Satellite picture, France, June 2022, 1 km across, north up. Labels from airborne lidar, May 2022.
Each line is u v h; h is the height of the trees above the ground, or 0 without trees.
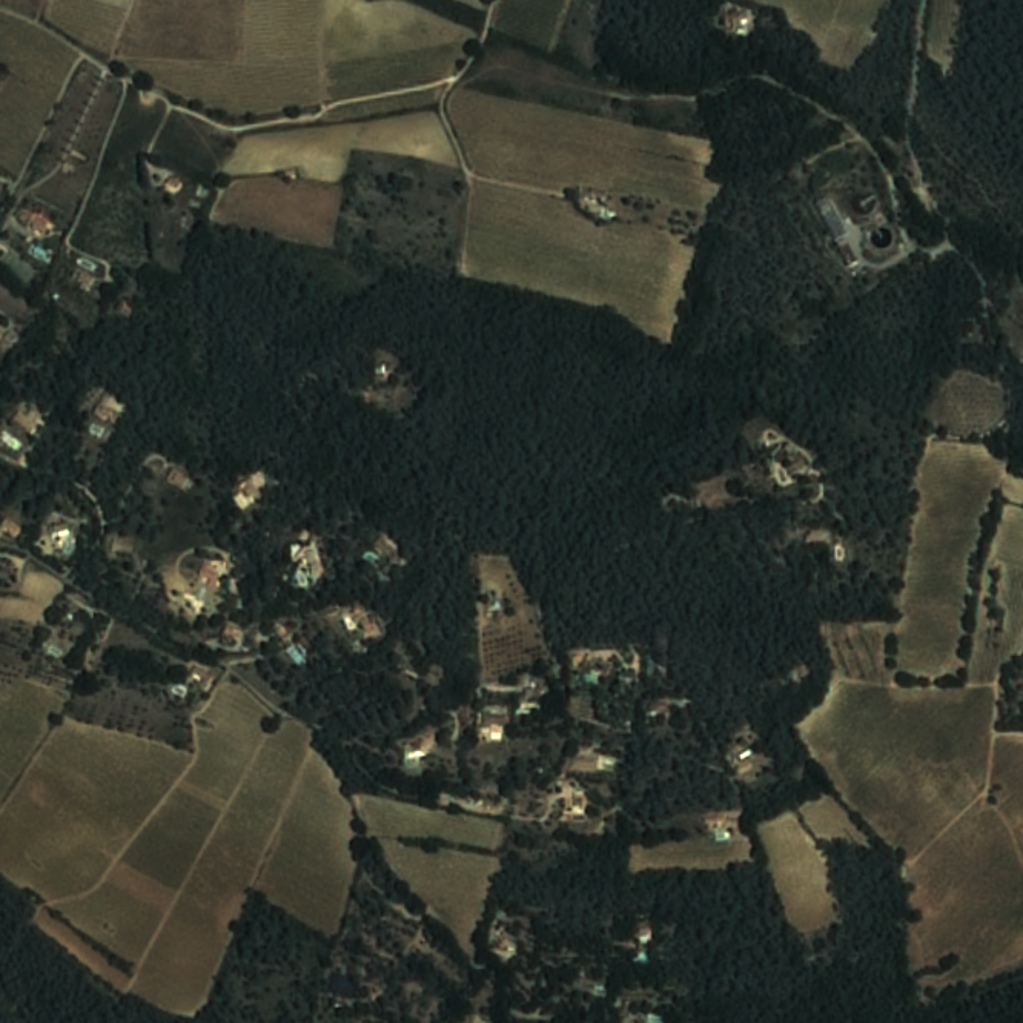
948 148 6
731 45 14
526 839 11
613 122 0
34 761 0
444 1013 9
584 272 0
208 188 7
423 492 19
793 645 10
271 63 0
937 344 15
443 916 0
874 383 16
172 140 0
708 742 20
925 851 0
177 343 14
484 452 23
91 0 0
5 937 16
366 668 11
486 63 0
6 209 7
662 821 20
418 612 16
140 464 17
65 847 0
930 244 9
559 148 0
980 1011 8
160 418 20
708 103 15
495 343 23
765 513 18
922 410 16
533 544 24
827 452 21
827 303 11
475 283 15
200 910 0
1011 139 17
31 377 15
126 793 0
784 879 0
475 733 9
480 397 20
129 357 16
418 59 0
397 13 0
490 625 0
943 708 0
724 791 15
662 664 21
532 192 0
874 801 0
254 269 18
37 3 0
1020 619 0
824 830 0
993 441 11
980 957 0
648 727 7
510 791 19
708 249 11
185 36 0
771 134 16
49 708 0
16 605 0
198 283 16
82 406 15
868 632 0
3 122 0
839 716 0
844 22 0
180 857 0
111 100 0
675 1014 12
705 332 18
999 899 0
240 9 0
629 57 8
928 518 0
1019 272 10
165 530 17
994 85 20
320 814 0
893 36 9
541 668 14
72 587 7
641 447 23
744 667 17
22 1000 17
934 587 0
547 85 0
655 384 19
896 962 10
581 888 18
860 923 20
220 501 13
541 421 21
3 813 0
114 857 0
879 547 7
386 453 16
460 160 0
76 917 0
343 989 0
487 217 0
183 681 11
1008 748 0
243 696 0
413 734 11
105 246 0
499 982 10
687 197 0
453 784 8
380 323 22
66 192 0
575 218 0
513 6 0
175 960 0
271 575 19
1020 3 23
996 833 0
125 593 18
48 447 19
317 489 18
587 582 16
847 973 10
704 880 19
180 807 0
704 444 21
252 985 15
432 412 22
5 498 13
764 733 10
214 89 0
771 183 18
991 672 0
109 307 10
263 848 0
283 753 0
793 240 10
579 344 20
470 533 18
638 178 0
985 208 9
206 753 0
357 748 9
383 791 7
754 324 20
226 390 19
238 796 0
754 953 20
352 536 16
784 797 16
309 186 0
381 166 0
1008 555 0
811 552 10
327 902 0
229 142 6
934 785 0
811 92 15
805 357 14
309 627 6
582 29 0
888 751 0
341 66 0
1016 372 19
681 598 18
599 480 23
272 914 11
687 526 14
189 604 6
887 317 8
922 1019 11
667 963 7
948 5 0
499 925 6
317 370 19
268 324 16
